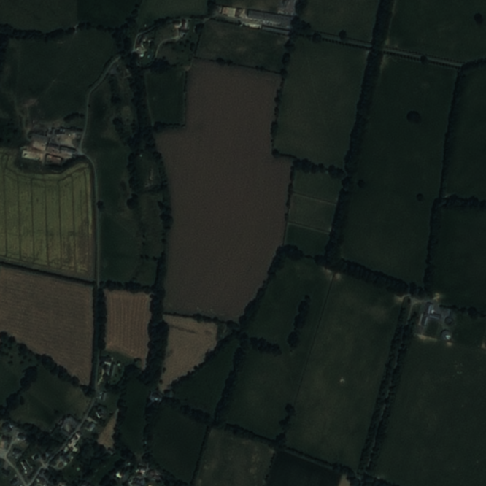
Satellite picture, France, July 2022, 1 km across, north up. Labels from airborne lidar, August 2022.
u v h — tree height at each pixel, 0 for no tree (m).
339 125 0
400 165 0
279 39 0
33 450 0
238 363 25
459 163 0
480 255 0
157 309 21
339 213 22
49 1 0
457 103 18
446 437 0
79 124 0
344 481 0
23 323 0
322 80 0
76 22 0
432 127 0
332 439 0
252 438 16
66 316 0
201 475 0
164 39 0
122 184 0
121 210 0
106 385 14
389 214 0
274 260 12
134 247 0
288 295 0
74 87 0
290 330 0
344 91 0
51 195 0
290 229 0
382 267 0
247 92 0
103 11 0
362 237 0
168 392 11
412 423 0
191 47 11
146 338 0
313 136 0
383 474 0
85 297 0
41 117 0
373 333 0
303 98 0
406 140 0
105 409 7
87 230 0
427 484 0
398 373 11
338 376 0
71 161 12
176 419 0
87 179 0
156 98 0
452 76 0
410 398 0
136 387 0
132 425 0
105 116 0
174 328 0
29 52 0
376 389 0
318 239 0
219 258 0
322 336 0
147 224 0
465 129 0
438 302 0
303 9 19
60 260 0
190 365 0
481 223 0
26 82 0
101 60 0
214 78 0
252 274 0
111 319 0
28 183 0
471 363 0
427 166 0
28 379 18
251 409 0
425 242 0
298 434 0
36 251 0
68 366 0
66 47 0
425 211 0
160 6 0
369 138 0
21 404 7
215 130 0
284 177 0
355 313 0
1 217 0
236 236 0
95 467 9
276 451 6
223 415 25
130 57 14
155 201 0
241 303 0
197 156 0
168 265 0
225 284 0
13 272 0
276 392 0
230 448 0
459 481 0
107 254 0
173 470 0
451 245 0
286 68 7
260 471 0
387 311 0
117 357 0
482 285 0
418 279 0
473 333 0
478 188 0
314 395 0
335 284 0
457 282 0
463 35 0
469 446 0
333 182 0
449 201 19
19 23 0
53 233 0
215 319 11
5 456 0
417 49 0
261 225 0
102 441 0
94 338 9
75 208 0
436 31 0
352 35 0
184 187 0
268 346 21
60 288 0
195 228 0
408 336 16
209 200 0
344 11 0
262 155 0
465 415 0
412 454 0
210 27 0
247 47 0
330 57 0
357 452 0
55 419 0
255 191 0
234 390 25
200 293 0
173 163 0
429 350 0
